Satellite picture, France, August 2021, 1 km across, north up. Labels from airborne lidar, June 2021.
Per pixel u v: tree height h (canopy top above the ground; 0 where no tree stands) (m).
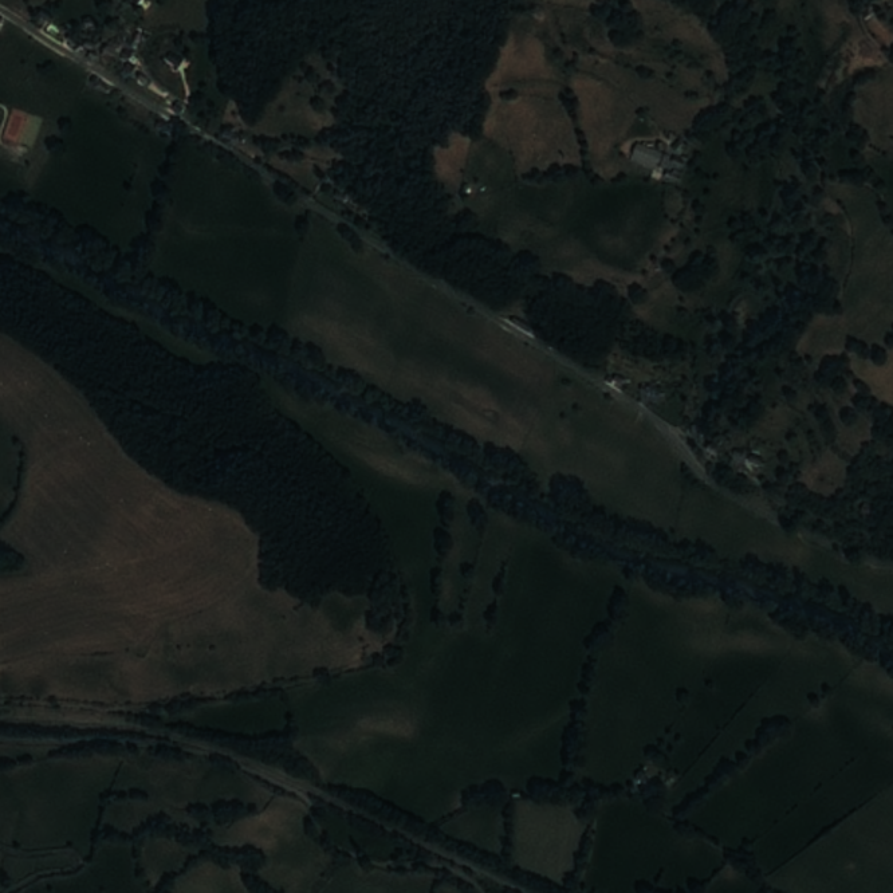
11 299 24
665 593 18
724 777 17
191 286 0
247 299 0
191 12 0
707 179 10
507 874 13
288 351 14
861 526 7
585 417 0
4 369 0
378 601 18
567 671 0
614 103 0
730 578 0
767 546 0
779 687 0
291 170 0
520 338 0
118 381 21
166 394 20
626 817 0
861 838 0
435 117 13
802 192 13
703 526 0
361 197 17
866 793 0
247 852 14
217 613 0
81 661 0
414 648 0
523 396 0
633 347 8
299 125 0
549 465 0
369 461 0
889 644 27
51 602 0
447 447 17
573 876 7
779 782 0
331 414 0
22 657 0
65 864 0
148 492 0
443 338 0
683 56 6
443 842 15
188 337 17
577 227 0
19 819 0
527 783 0
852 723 0
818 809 0
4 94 0
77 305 23
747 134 17
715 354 16
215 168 0
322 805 14
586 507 36
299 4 20
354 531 19
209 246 0
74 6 0
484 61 21
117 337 21
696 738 0
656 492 0
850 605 27
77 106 0
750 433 15
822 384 20
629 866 0
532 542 0
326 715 0
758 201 0
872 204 0
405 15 15
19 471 7
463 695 0
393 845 13
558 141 0
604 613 0
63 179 0
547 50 0
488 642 0
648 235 0
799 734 0
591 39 0
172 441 19
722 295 0
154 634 0
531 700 0
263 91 20
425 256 23
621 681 0
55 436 0
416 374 0
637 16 15
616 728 0
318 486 19
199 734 14
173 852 0
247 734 0
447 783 0
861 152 6
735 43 17
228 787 0
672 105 0
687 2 23
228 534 0
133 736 10
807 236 12
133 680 0
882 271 0
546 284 17
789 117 17
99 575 0
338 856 16
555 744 0
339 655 0
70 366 16
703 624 0
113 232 0
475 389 0
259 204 0
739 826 0
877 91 0
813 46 0
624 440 0
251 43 16
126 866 0
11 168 0
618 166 0
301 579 20
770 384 0
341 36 21
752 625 0
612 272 0
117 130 0
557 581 0
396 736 0
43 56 0
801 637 12
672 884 0
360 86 22
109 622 0
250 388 22
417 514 0
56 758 9
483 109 20
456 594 0
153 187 0
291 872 0
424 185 22
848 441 0
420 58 23
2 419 0
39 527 0
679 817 15
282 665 0
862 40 0
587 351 22
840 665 0
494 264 22
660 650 0
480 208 0
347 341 0
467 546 0
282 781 0
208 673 0
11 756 0
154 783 0
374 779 0
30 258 36
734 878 0
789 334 22
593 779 0
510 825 14
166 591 0
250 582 0
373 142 23
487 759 0
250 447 19
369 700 0
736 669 0
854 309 0
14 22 0
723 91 12
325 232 0
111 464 0
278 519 17
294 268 0
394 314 0
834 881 0
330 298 0
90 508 0
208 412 20
